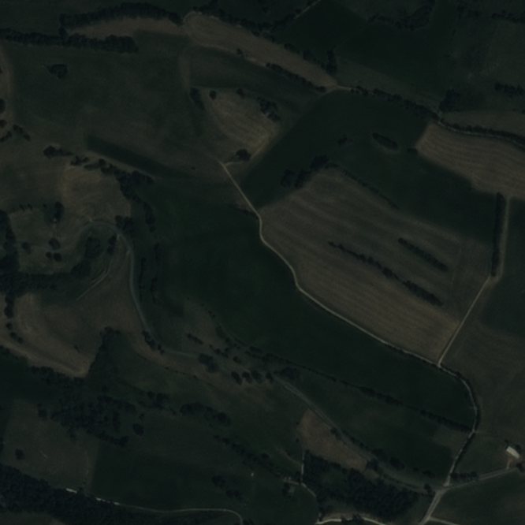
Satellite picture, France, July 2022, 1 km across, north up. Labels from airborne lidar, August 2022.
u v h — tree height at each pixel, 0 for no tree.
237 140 0
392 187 0
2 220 23
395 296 0
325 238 0
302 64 0
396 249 0
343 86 0
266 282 0
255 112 0
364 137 0
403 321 0
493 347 0
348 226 0
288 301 0
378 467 26
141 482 0
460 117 0
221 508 0
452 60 0
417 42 0
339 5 0
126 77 0
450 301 0
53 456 0
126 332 0
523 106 0
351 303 0
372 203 0
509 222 0
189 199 0
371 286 0
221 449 0
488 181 0
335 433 16
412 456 0
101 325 0
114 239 11
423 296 15
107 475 0
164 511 0
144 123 0
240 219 0
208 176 0
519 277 0
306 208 0
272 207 0
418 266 0
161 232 0
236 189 0
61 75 11
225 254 0
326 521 0
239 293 0
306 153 0
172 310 0
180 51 0
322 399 0
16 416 0
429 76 0
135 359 0
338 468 19
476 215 0
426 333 0
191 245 0
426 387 0
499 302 0
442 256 0
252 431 0
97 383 0
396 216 0
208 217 0
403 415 0
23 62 0
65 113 0
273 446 0
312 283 0
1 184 0
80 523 26
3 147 0
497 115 0
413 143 0
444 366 9
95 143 0
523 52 0
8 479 27
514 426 0
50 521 0
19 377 0
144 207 8
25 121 0
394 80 0
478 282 0
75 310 0
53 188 0
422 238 0
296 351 0
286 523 0
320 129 0
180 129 0
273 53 0
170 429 0
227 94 0
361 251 0
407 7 0
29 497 30
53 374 18
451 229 0
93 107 0
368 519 0
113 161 0
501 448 0
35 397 0
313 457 16
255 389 0
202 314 0
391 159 0
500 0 0
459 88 0
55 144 0
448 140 0
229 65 0
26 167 0
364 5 0
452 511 0
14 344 0
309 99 0
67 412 11
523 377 0
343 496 26
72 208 0
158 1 0
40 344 0
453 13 0
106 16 20
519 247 0
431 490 16
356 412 0
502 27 0
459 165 0
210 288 0
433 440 0
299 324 0
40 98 0
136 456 0
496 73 0
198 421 0
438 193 0
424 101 0
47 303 0
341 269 0
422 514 0
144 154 0
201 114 0
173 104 0
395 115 0
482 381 0
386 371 0
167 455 0
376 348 0
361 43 0
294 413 0
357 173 0
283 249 0
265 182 0
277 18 0
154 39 0
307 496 0
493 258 7
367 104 0
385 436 0
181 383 0
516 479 0
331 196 0
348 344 0
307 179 13
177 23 14
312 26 0
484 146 0
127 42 19
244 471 0
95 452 0
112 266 0
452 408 0
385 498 21
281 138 0
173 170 0
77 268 8
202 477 0
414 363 0
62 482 0
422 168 0
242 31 0
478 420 11
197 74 0
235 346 6
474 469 0
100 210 0
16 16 0
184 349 0
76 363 0
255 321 0
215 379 0
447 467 0
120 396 0
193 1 0
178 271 0
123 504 0
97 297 0
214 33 0
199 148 0
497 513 0
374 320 0
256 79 0
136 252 0
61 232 0
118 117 0
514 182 0
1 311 0
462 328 0
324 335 0
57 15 0
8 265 27
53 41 8
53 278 7
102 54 0
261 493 0
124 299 0
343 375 0
